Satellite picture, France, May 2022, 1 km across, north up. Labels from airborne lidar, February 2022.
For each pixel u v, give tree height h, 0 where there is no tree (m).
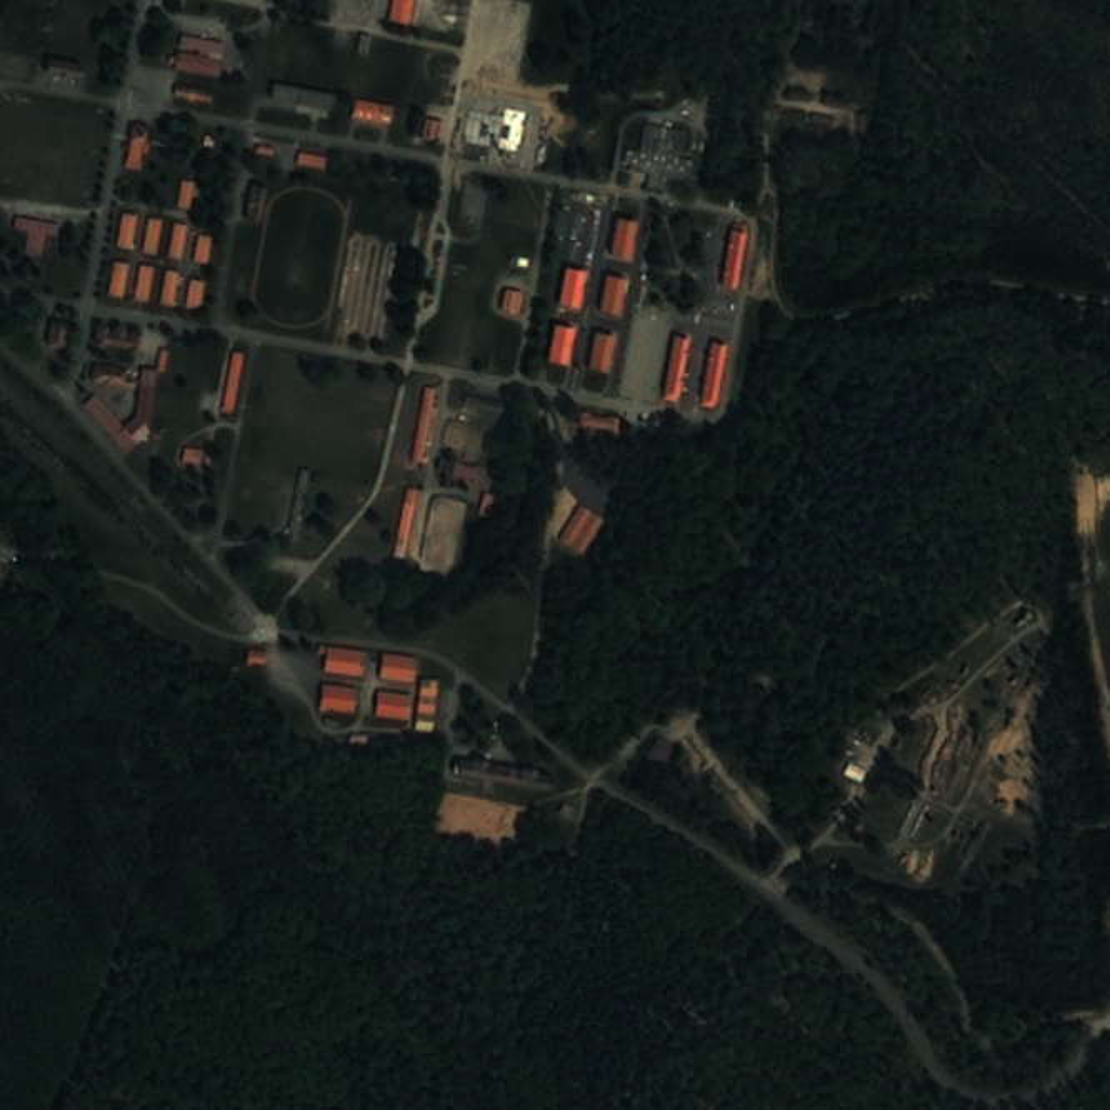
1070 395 35
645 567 24
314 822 17
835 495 34
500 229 0
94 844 14
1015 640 0
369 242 0
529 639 0
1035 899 21
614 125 0
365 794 25
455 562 0
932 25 18
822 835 0
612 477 23
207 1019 29
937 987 27
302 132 0
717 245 0
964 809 0
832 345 19
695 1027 26
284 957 32
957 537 31
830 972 24
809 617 26
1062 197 20
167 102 0
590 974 21
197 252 0
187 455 0
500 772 0
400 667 0
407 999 22
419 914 17
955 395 31
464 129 0
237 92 0
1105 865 14
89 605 19
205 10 6
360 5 0
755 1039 30
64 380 17
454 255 0
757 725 16
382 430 0
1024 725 0
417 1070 26
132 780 11
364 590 28
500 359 0
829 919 7
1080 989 14
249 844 18
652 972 17
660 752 0
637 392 0
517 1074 17
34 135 0
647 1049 15
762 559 33
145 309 0
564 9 0
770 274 0
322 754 24
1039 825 0
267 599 20
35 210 0
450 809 0
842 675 32
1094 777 7
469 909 12
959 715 0
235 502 0
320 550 0
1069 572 9
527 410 19
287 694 0
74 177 0
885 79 14
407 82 0
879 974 0
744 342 0
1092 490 0
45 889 12
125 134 0
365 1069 29
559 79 0
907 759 0
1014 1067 25
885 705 13
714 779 0
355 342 12
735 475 23
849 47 10
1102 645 0
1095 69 19
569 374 0
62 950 15
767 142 0
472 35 0
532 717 20
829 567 26
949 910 28
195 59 0
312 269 0
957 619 30
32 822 12
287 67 0
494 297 0
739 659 14
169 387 0
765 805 0
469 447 0
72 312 11
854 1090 30
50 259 0
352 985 24
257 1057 27
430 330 0
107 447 0
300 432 0
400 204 0
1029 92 17
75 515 0
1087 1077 0
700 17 23
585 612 31
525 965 24
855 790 0
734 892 16
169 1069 27
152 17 13
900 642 28
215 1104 29
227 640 0
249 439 0
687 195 16
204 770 21
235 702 18
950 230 29
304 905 9
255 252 0
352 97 11
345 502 0
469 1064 19
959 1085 0
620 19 16
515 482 25
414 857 24
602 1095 13
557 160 0
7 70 0
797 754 29
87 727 15
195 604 0
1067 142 19
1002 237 12
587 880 22
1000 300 31
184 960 29
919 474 22
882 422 28
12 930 13
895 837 0
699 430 0
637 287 0
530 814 11
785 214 20
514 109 0
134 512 0
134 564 0
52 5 0
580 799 0
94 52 0
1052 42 19
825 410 35
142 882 16
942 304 13
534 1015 22
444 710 0
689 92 13
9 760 12
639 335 0
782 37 25
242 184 0
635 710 26
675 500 25
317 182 0
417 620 26
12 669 13
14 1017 15
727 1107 28
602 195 0
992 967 25
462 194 0
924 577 26
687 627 27
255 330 0
